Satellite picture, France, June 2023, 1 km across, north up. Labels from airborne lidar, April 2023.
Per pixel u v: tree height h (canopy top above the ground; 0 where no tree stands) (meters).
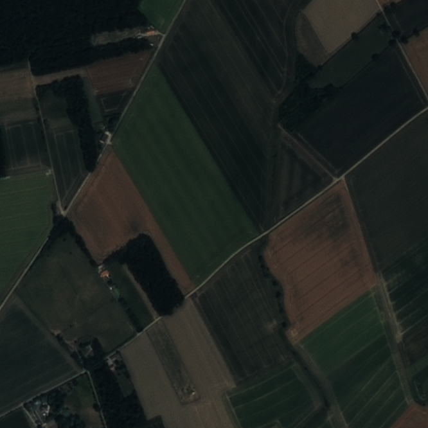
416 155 0
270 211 0
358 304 0
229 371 0
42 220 0
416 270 0
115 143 0
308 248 0
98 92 0
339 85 0
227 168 0
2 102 0
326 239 0
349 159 0
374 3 0
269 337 0
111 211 0
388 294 0
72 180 0
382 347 0
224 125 0
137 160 0
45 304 0
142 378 0
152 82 0
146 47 11
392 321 0
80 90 19
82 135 19
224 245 0
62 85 7
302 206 0
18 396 0
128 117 0
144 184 0
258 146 0
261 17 0
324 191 0
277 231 0
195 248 0
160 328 0
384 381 0
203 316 0
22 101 0
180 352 0
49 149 0
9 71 0
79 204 0
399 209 0
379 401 0
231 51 0
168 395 0
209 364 0
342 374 0
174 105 0
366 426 0
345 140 0
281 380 0
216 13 0
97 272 0
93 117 0
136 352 0
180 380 0
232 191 0
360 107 0
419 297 0
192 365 0
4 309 0
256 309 0
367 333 0
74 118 10
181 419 0
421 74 0
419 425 0
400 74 0
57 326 0
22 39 14
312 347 0
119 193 0
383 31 10
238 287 0
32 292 0
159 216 0
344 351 0
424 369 0
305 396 0
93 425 0
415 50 0
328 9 0
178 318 0
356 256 0
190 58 0
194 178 0
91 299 0
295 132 0
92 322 0
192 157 0
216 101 0
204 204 0
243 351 0
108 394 14
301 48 0
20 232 0
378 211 0
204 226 0
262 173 0
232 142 0
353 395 0
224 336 0
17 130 0
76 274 0
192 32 0
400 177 0
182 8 0
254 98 0
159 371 0
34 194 0
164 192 0
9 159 0
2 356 0
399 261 0
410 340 0
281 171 0
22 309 0
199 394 0
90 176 0
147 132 0
